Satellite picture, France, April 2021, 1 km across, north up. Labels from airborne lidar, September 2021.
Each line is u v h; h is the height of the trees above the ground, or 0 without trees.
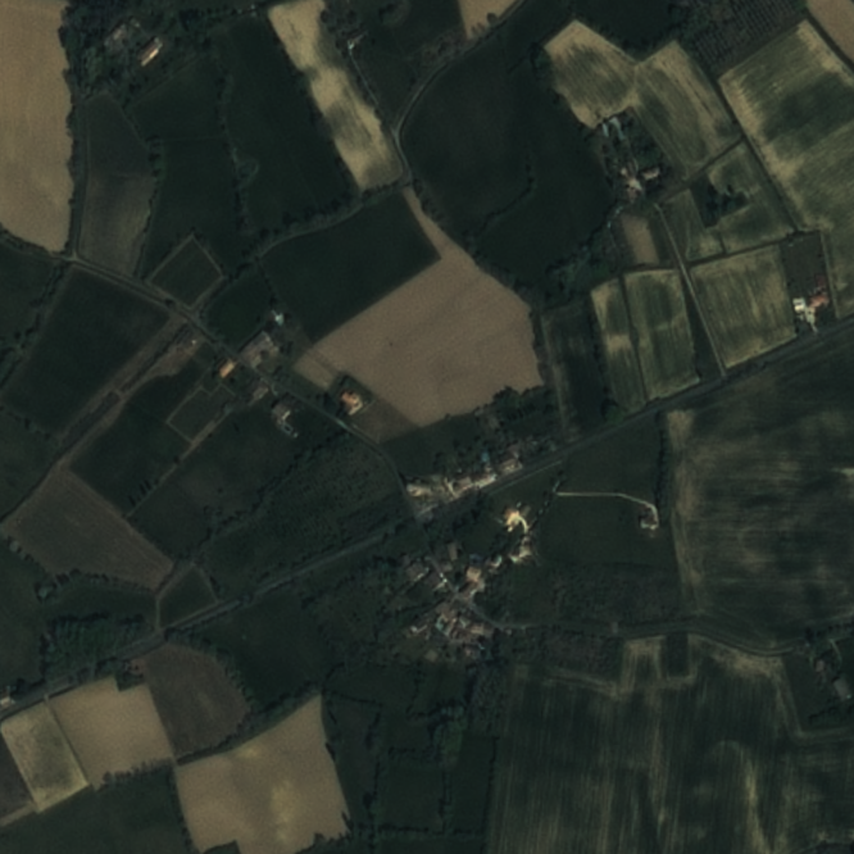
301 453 6
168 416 0
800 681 0
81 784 0
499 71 0
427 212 15
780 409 0
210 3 0
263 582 8
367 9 0
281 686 0
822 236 0
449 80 0
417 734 0
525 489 0
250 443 0
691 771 0
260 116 0
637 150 16
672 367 0
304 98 12
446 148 0
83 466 0
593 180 0
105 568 0
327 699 17
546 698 0
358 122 0
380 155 0
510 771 0
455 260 0
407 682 0
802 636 0
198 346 0
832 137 0
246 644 0
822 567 0
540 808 0
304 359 0
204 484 0
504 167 0
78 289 0
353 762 0
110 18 14
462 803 0
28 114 0
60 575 0
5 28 0
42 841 0
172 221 0
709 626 0
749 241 0
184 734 0
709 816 0
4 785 0
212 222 0
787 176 0
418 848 0
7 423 0
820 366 0
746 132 0
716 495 0
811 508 0
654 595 0
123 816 0
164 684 0
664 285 0
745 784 0
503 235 0
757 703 0
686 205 0
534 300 21
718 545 0
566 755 0
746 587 0
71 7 11
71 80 17
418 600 8
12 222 0
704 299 0
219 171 0
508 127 0
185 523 0
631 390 0
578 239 0
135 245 0
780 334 0
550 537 0
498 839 0
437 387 0
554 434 15
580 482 0
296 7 0
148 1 16
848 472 0
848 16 0
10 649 0
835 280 0
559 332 0
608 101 0
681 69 0
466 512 17
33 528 0
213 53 20
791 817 0
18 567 0
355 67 13
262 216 0
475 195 0
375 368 0
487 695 28
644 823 0
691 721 0
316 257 0
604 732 0
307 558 7
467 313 0
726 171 0
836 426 0
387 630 17
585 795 0
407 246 0
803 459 0
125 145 0
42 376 0
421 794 0
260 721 19
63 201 0
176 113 0
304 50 0
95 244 0
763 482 0
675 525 0
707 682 0
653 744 0
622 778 0
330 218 18
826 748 0
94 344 0
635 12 0
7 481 0
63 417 0
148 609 0
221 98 11
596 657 7
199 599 0
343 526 8
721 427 0
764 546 0
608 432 0
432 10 0
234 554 8
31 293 0
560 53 0
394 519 8
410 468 0
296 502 11
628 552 0
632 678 0
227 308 0
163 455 0
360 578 19
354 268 0
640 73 0
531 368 0
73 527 0
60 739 0
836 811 0
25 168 0
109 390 0
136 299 0
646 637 0
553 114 0
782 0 20
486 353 0
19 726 0
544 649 9
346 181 15
